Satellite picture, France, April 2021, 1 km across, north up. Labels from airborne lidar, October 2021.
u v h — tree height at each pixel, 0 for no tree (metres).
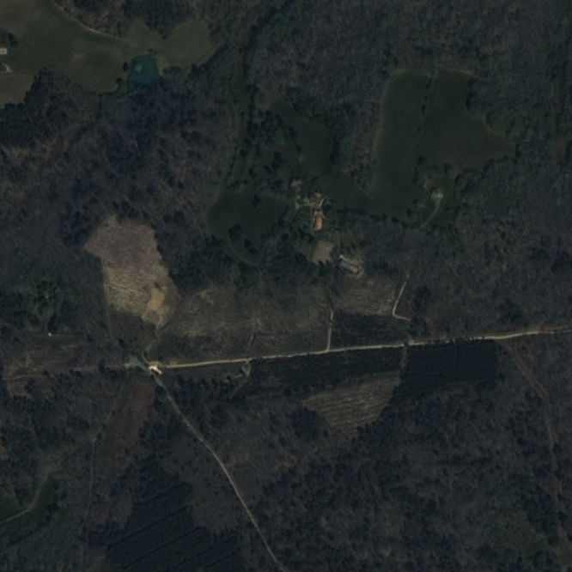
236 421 15
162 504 17
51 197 16
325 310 0
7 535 10
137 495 14
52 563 11
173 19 23
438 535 19
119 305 0
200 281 26
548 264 10
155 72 0
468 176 13
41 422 28
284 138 19
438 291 6
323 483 18
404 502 15
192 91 20
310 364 6
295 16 24
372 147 15
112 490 10
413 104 0
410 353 13
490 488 10
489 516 14
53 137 23
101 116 10
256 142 27
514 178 15
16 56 0
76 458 12
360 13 16
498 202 13
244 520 6
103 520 10
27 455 28
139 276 0
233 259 0
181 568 16
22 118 22
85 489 6
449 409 14
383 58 18
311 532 11
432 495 7
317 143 0
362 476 11
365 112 20
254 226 0
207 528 6
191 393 23
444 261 16
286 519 14
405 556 17
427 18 21
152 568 17
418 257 12
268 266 18
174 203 17
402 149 0
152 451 14
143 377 18
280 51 18
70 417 21
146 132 20
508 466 12
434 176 16
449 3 12
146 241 0
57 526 11
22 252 11
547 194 18
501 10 13
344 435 9
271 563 10
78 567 9
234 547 15
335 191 0
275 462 10
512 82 25
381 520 12
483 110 21
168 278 0
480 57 23
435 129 0
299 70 10
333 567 27
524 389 10
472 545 13
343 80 20
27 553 18
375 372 7
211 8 16
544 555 11
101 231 0
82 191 24
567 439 10
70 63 0
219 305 0
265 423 17
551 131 24
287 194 7
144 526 16
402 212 0
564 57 14
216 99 24
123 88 11
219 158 20
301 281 22
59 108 22
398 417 8
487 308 12
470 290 12
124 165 26
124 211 13
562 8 19
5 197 9
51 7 0
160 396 17
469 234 15
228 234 0
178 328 0
